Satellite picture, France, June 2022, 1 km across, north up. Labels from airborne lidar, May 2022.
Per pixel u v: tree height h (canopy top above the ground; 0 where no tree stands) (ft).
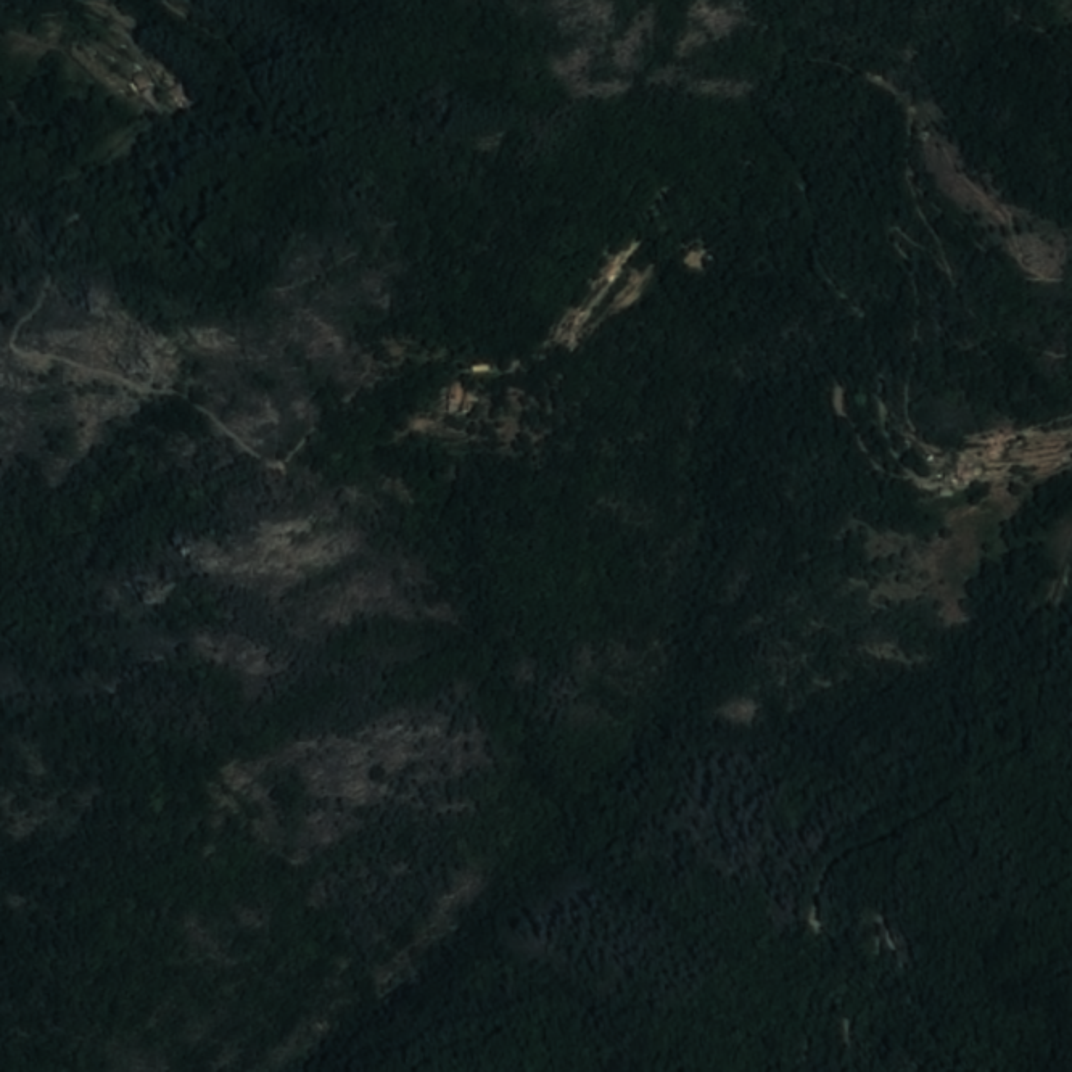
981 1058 58
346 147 66
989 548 42
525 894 50
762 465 43
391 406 74
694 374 22
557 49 22
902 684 47
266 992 57
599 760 56
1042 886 70
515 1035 47
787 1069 44
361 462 71
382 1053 43
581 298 53
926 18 27
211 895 36
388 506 29
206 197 58
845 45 23
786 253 81
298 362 21
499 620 44
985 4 44
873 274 38
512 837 53
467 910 46
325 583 21
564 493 46
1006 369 34
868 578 37
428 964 64
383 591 0
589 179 55
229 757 25
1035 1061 54
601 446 54
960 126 55
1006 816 67
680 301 56
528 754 66
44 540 75
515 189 39
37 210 31
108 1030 38
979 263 29
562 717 42
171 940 47
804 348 30
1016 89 51
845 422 41
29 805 29
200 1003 26
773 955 42
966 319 35
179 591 37
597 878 39
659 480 40
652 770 64
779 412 47
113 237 56
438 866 67
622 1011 32
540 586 47
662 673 40
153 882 54
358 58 67
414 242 33
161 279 39
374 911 52
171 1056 27
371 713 39
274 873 47
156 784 39
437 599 34
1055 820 68
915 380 23
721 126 58
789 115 58
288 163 64
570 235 75
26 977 34
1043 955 66
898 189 52
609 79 26
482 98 49
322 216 43
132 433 37
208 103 109
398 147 54
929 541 33
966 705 80
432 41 66
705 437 73
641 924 67
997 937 70
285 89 120
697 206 81
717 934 35
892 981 26
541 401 48
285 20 86
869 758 61
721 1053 42
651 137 71
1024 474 28
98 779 31
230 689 42
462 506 40
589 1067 55
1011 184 44
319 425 30
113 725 22
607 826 39
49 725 34
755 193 72
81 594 28
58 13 38
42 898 23
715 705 21
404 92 67
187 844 26
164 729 58
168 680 41
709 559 56
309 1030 37
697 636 55
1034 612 63
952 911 69
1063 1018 48
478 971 42
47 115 74
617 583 56
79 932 50
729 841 40
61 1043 37
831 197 57
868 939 31
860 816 43
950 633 22
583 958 36
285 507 32
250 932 25
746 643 31
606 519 32
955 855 66
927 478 42
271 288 22
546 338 60
